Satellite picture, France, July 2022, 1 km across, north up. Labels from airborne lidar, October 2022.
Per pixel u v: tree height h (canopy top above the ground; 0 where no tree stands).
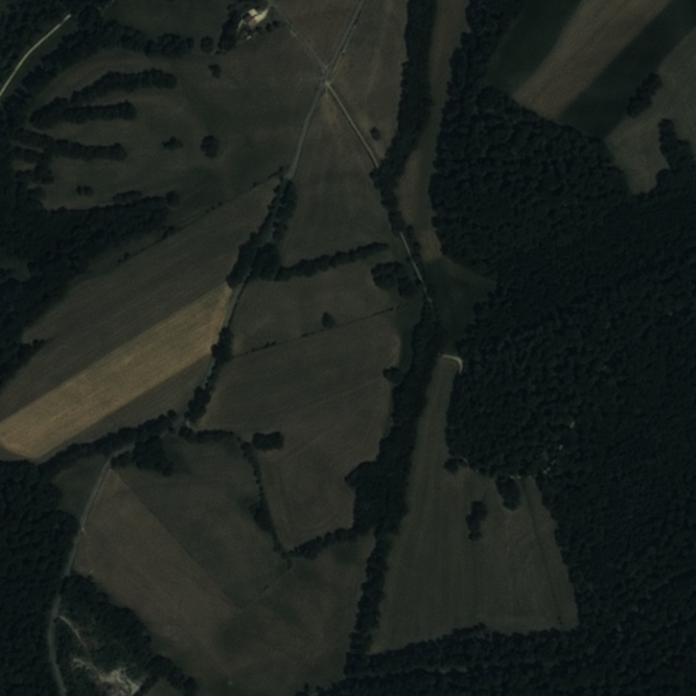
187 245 0
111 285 0
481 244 26
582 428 29
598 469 17
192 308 0
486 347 7
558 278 19
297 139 0
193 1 0
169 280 0
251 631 0
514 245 24
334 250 0
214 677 0
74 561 0
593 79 0
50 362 0
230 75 0
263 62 0
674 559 27
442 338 24
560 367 16
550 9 0
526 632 0
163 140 0
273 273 16
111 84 16
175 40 18
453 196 23
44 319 0
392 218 14
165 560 0
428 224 0
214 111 0
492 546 0
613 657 32
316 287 0
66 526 21
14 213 20
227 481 0
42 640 21
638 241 14
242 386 0
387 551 20
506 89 0
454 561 0
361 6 0
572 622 0
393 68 0
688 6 0
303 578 0
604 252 17
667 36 0
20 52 11
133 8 0
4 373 21
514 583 0
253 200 0
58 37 0
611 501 15
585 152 29
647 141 0
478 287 0
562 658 7
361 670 33
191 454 0
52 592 11
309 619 0
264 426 0
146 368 0
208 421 0
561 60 0
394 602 0
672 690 24
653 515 18
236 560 0
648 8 0
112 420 0
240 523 0
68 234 8
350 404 0
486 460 12
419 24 22
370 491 18
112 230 15
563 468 22
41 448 0
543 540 0
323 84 0
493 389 28
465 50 11
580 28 0
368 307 0
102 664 8
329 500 0
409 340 0
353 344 0
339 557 0
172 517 0
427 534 0
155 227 20
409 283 22
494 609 0
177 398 0
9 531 24
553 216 22
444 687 30
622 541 16
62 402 0
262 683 0
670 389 21
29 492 23
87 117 16
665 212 21
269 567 0
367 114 0
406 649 0
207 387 9
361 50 0
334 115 0
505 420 27
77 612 8
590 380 29
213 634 0
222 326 0
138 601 0
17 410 0
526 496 0
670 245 23
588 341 31
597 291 14
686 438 20
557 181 28
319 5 0
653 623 30
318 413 0
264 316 0
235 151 0
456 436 23
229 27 15
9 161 14
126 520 0
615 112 0
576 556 20
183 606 0
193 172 0
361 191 0
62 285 11
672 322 22
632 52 0
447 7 0
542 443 29
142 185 0
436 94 0
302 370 0
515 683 36
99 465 0
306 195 0
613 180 26
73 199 0
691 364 28
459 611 0
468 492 0
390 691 31
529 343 30
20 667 25
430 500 0
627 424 22
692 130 0
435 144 0
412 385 23
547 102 0
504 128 27
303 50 0
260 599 0
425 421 0
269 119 0
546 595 0
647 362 25
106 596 14
